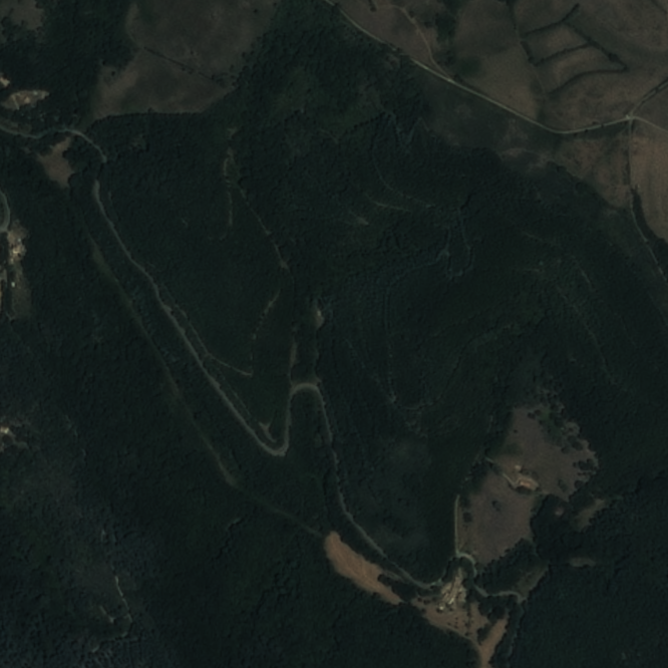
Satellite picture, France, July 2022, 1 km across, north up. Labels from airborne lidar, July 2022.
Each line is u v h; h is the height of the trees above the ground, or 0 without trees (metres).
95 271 7
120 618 12
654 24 0
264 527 13
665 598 16
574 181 7
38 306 9
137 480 10
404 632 16
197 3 0
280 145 13
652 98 0
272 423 6
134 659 16
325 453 10
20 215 9
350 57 11
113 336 10
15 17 0
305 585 16
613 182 0
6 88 12
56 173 0
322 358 10
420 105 11
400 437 12
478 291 9
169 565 18
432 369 7
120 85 0
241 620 15
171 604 17
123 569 13
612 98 0
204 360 9
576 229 9
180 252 8
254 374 6
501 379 12
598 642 15
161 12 0
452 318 10
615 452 12
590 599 14
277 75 15
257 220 8
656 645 8
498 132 0
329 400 9
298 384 0
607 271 6
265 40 10
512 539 0
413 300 12
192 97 0
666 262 9
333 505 8
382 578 13
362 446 11
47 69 12
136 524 16
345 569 0
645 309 10
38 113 9
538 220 6
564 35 0
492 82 0
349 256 14
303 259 12
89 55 11
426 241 11
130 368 13
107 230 12
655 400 8
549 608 15
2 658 11
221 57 0
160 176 11
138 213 14
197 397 13
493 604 16
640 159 0
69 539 11
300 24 7
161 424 15
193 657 16
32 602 11
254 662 13
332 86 13
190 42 0
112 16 6
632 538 14
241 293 11
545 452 0
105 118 10
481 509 0
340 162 13
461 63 0
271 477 11
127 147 12
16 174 16
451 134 0
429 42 0
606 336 11
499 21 0
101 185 7
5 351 8
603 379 10
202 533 14
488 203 10
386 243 19
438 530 9
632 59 0
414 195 11
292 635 17
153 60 0
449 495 8
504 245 12
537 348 14
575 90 0
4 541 12
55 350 14
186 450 6
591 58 0
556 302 8
